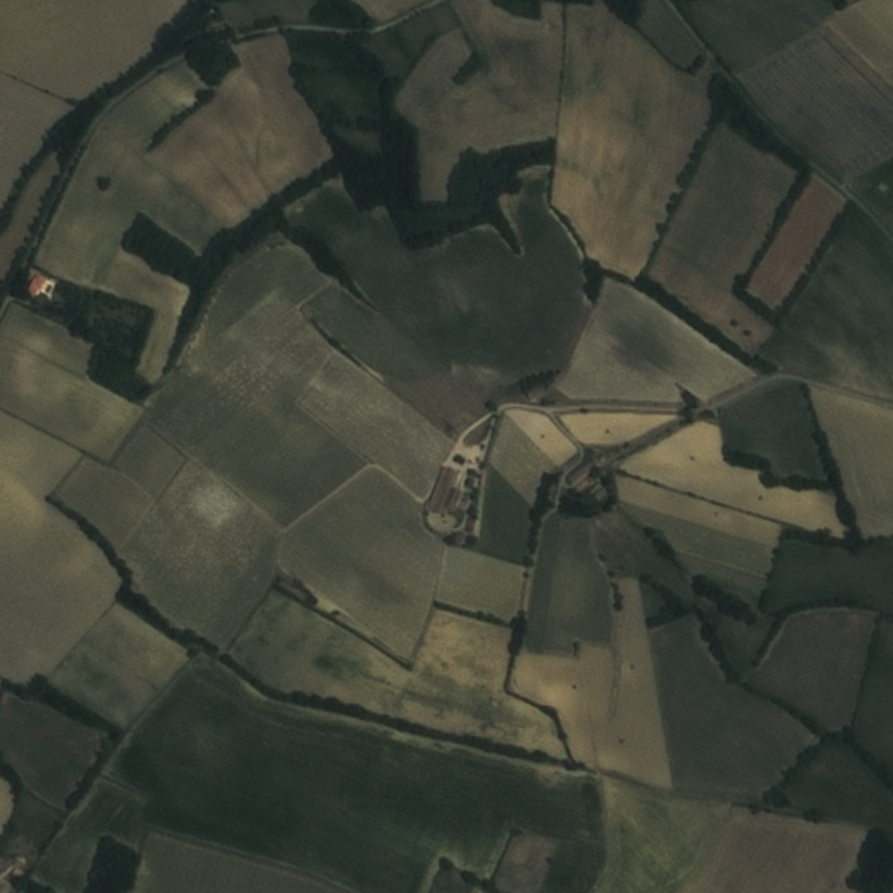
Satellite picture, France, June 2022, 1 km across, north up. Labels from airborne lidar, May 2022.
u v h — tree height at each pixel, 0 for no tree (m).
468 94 0
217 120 0
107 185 14
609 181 0
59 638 0
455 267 0
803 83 0
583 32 0
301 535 0
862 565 0
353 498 0
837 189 0
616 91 0
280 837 0
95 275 0
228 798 0
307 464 0
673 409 0
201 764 0
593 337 0
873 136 0
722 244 0
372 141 0
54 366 0
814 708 0
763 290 0
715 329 12
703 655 0
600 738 0
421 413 0
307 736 0
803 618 0
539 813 0
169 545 0
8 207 12
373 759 0
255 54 0
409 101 0
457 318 0
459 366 0
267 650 0
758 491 0
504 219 7
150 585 0
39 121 0
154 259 14
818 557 0
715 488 0
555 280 0
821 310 0
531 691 0
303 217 0
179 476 0
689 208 0
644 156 0
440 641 0
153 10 0
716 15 0
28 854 0
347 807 0
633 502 0
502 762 0
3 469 0
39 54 0
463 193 7
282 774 0
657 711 0
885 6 0
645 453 0
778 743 0
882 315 0
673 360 0
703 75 0
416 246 13
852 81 0
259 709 0
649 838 0
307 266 0
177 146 0
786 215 12
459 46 0
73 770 0
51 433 0
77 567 0
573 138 0
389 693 0
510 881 0
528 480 0
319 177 16
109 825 0
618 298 0
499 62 0
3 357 0
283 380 0
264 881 0
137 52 0
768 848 0
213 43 13
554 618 0
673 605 12
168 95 0
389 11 0
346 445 0
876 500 0
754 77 0
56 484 0
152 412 0
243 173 0
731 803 0
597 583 0
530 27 0
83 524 15
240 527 0
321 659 0
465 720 0
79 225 0
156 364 0
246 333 0
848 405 0
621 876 0
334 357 0
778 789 13
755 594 0
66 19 0
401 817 0
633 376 0
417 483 0
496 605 0
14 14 0
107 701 0
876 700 0
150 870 0
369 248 0
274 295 0
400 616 0
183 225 0
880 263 0
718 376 0
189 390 0
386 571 0
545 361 0
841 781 0
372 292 0
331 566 0
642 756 0
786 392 0
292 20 0
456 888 0
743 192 0
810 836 0
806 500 0
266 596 0
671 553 13
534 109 0
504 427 0
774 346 0
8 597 0
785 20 0
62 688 0
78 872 0
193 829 0
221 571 0
